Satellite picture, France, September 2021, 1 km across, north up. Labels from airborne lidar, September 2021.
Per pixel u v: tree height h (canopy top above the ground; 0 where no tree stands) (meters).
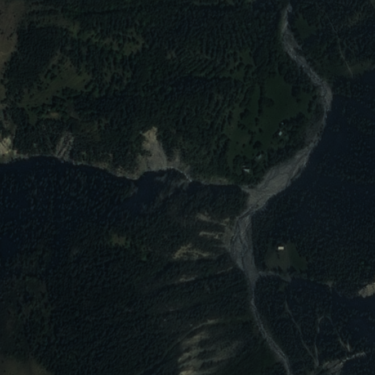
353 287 7
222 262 9
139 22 11
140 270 20
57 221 13
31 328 13
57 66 6
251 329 9
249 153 0
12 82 8
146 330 19
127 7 16
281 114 0
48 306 7
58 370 14
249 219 0
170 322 12
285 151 9
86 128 14
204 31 23
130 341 25
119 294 19
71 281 21
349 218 20
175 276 14
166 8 20
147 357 11
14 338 8
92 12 9
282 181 0
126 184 13
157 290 7
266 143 0
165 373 10
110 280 20
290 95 0
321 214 16
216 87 20
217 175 16
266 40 22
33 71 13
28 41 15
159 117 19
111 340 26
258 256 8
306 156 0
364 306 8
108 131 11
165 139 12
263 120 0
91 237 19
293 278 0
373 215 22
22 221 24
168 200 10
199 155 16
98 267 8
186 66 12
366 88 9
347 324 6
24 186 32
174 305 6
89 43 16
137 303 16
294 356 8
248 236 0
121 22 19
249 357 8
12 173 23
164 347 21
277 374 7
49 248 16
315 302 25
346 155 22
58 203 13
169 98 27
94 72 14
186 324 11
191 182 0
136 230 14
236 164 12
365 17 9
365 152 18
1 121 7
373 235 24
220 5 15
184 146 14
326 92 0
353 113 11
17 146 15
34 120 0
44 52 19
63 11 13
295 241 10
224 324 7
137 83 27
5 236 6
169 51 13
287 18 0
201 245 8
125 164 15
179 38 25
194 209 11
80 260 23
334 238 24
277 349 0
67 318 18
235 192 9
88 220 20
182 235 15
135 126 22
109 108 22
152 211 12
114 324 21
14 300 0
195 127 14
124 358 23
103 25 16
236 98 12
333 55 16
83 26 14
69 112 0
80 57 14
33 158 0
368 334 0
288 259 0
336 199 18
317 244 20
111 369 20
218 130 21
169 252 7
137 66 18
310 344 9
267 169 11
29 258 15
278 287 17
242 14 9
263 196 0
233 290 13
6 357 6
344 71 0
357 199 17
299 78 9
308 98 0
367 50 17
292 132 10
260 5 17
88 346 22
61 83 0
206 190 8
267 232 10
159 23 23
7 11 0
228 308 20
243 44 9
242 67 14
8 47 0
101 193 28
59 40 7
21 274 12
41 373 0
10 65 11
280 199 9
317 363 0
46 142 25
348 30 10
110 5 18
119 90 6
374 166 18
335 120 7
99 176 23
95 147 18
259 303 9
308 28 0
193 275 7
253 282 0
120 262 22
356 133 10
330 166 8
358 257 15
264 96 17
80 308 18
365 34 15
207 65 12
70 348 21
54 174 11
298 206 10
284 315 16
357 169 22
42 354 11
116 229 23
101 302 17
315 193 19
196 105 14
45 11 6
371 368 15
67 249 22
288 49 0
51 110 15
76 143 12
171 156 6
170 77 25
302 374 15
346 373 8
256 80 16
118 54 19
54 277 11
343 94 8
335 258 18
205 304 8
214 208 11
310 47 21
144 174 11
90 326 17
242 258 0
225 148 19
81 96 9
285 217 16
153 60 17
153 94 16
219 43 15
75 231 28
